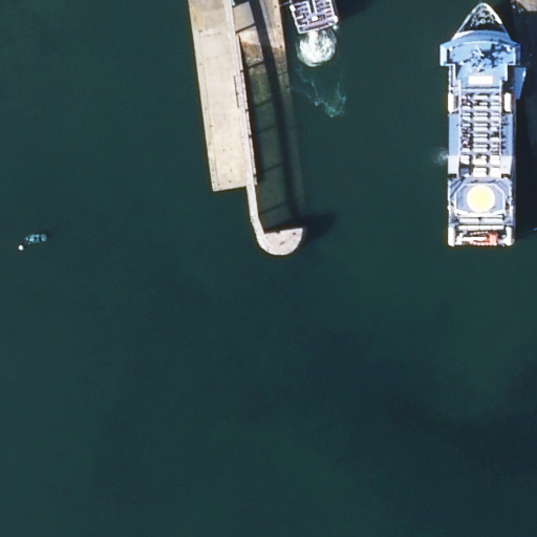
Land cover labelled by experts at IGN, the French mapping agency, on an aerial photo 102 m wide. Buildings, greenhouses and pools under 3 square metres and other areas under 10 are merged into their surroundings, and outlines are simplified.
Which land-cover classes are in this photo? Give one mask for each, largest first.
<instances>
[{"label":"water","instance_id":"1","mask_svg":"<svg viewBox=\"0 0 537 537\"><path fill-rule=\"evenodd\" d=\"M289 76L287 84H281V96L289 138L294 189L298 201V208L289 212L287 220L296 229H302V239L298 248L289 254H269L260 248L256 239L250 220L245 189H212L189 0H0V537H537V0H279Z\"/></svg>","mask_w":537,"mask_h":537},{"label":"impervious surface","instance_id":"2","mask_svg":"<svg viewBox=\"0 0 537 537\"><path fill-rule=\"evenodd\" d=\"M212 189H245L250 220L256 239L260 248L269 254H289L298 248L302 239V229H296L287 220L289 212L298 208V201L294 189L289 138L281 96V84H287L289 76L279 0H189Z\"/></svg>","mask_w":537,"mask_h":537}]
</instances>
